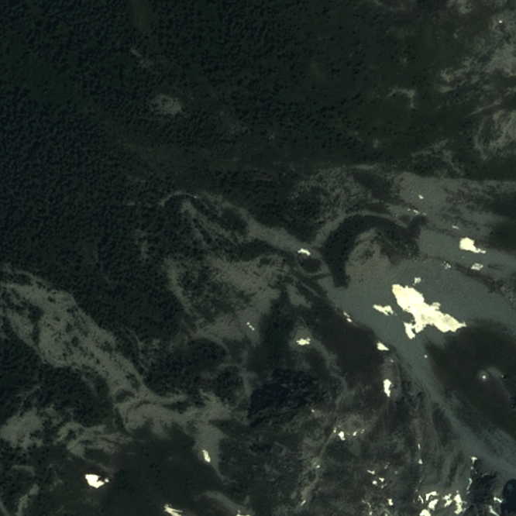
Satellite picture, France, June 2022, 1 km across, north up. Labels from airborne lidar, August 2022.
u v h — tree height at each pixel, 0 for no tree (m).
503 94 0
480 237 0
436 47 0
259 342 0
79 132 14
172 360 8
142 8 0
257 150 0
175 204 12
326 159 0
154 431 0
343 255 8
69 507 0
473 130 0
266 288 0
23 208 11
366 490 0
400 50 0
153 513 0
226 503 0
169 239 13
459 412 0
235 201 0
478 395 0
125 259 16
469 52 0
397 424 0
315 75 0
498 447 0
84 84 11
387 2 0
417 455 0
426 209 0
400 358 0
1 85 24
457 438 0
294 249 0
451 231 0
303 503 0
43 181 17
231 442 0
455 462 0
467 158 0
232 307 0
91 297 14
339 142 11
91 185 16
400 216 0
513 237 0
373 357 0
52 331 0
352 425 0
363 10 0
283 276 0
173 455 0
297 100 0
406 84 0
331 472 0
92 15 22
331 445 0
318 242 0
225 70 16
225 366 0
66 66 20
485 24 0
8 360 20
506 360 0
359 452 0
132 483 0
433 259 0
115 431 0
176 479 0
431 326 0
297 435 0
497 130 0
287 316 0
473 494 0
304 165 0
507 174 0
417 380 0
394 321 0
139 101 24
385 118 0
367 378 0
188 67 17
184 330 0
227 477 0
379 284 0
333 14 0
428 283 0
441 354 0
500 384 0
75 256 14
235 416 0
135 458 0
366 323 0
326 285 0
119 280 10
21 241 19
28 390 10
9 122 27
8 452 11
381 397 0
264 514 0
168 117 8
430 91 0
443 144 0
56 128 21
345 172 0
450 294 0
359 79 0
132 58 17
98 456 0
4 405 17
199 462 0
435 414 0
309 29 0
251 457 0
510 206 0
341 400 0
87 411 11
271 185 9
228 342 0
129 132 8
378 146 0
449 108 0
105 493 0
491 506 0
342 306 0
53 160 20
